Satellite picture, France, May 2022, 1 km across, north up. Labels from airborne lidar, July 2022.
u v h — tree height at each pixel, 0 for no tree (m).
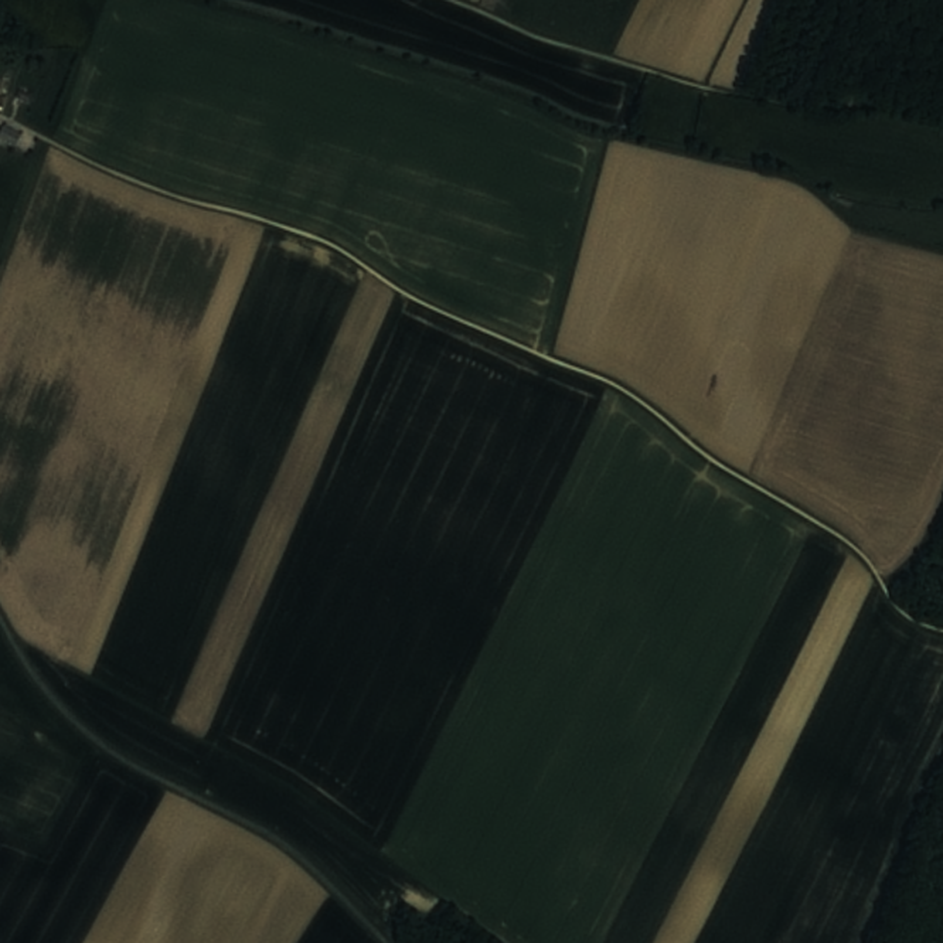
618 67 0
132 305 0
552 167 0
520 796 0
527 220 0
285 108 0
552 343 0
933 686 0
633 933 0
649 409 0
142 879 0
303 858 0
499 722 0
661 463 0
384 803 0
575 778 0
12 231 0
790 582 0
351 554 0
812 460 0
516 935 0
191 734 0
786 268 0
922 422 0
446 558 0
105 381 0
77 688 0
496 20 0
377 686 0
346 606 0
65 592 0
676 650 0
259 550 0
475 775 0
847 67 22
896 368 0
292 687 0
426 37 0
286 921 0
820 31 22
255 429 0
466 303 0
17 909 0
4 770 0
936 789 19
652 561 0
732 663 0
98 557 0
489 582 0
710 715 0
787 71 16
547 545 0
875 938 20
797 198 0
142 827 0
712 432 0
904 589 17
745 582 0
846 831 0
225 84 0
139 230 0
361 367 0
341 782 0
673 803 0
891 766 0
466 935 20
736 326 0
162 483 0
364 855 0
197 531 0
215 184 0
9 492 0
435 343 0
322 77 0
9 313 0
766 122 0
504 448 0
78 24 0
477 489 0
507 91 0
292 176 0
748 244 0
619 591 0
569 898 0
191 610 0
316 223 0
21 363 0
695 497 0
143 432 0
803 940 0
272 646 0
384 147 0
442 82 0
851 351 0
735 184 0
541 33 0
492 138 0
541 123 0
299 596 0
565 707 0
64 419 0
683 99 0
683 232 0
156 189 0
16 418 0
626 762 0
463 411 0
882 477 0
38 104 0
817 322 0
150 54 0
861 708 0
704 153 17
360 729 0
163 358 0
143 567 0
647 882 0
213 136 0
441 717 0
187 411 0
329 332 0
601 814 0
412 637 0
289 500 0
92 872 0
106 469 0
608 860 0
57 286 0
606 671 0
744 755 0
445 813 0
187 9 0
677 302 0
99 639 0
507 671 0
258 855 0
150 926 0
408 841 0
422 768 0
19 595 0
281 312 0
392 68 0
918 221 0
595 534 0
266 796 0
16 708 0
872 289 0
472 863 0
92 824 0
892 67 22
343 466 0
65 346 0
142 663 0
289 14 0
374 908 0
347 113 0
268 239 0
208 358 0
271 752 0
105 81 0
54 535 0
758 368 0
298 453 0
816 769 0
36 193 0
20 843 0
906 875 23
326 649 0
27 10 0
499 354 0
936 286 0
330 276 0
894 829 0
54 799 0
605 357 0
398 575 0
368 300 0
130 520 0
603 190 0
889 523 0
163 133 0
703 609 0
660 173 0
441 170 0
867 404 0
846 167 0
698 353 0
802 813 0
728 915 0
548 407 0
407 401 0
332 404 0
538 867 0
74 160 0
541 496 0
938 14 26
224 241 0
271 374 0
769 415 0
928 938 15
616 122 0
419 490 0
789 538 0
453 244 0
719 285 0
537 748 0
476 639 0
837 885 0
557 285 0
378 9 0
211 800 0
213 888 0
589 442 0
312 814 0
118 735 0
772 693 0
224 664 0
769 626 0
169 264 0
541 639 0
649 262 0
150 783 0
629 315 0
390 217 0
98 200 0
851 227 0
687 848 0
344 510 0
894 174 0
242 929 0
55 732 0
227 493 0
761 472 0
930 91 18
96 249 0
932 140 0
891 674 0
